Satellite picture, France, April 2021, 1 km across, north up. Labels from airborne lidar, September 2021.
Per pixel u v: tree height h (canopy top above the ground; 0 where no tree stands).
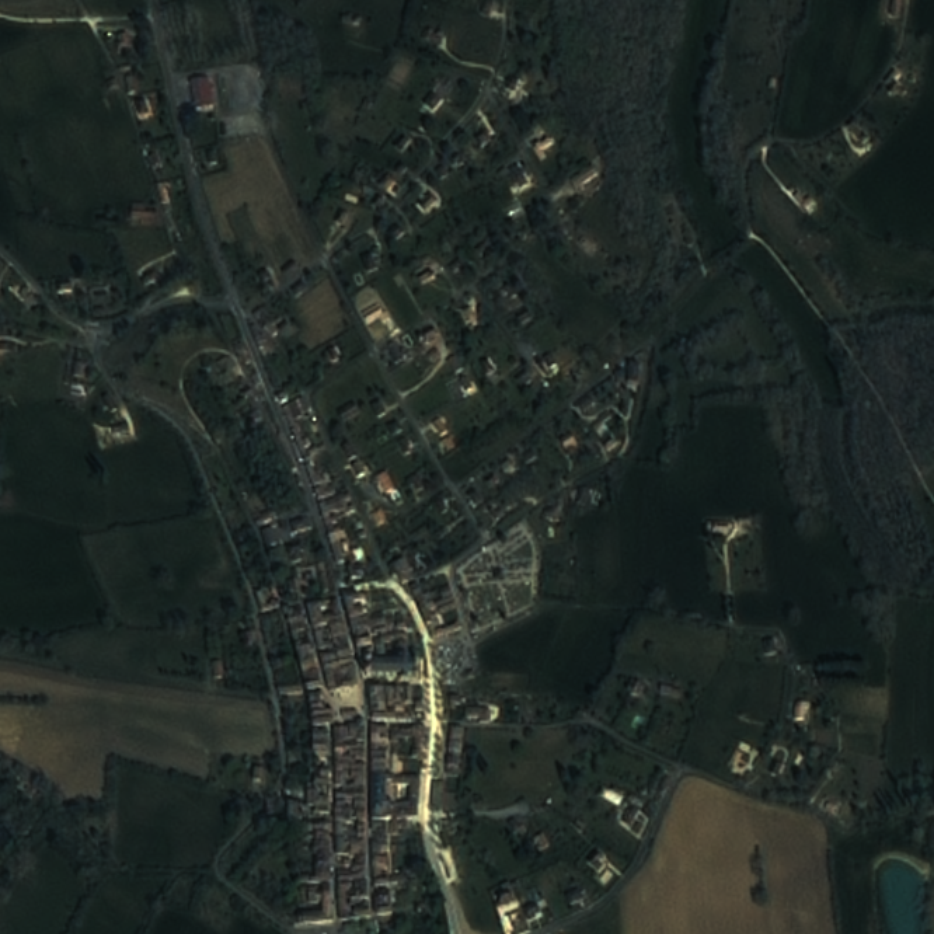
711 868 0
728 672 0
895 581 24
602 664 0
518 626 0
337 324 0
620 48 17
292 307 11
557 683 0
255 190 0
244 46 0
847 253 0
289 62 27
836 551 0
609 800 0
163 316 0
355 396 0
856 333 9
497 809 0
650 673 0
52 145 0
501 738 0
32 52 0
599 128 12
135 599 0
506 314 13
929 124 0
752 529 7
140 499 0
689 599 0
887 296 6
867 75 0
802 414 14
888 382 16
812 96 0
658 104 14
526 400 12
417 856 8
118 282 11
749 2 0
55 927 0
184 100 0
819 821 13
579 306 0
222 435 14
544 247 16
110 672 0
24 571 0
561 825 0
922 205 0
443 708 10
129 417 0
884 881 0
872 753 0
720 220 0
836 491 23
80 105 0
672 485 0
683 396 0
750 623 0
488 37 0
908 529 12
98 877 11
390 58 14
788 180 0
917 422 15
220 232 0
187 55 0
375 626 0
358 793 0
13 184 0
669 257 17
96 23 0
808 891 0
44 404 0
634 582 0
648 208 8
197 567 0
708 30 0
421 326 0
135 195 0
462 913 0
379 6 0
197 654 0
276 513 12
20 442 0
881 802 6
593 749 17
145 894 0
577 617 0
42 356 0
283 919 9
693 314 0
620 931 0
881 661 0
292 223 0
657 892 0
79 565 0
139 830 0
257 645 11
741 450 0
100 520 0
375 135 0
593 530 0
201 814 0
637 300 13
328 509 0
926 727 0
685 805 0
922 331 16
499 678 0
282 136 0
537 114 9
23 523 0
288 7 0
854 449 23
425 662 8
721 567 10
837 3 0
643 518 0
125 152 0
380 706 0
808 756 7
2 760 11
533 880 0
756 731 0
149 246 0
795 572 0
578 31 21
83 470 0
